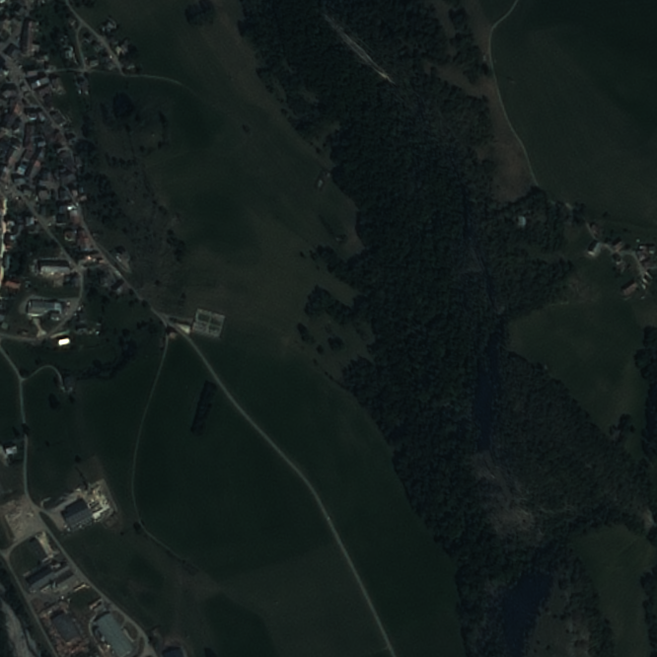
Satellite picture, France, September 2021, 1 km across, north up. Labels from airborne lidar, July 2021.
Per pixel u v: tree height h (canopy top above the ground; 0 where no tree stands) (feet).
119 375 0
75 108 0
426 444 58
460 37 26
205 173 0
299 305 0
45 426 0
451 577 0
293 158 0
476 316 39
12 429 0
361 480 0
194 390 0
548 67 0
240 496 0
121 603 0
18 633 0
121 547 0
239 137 0
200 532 0
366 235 82
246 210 0
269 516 0
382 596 0
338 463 0
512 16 0
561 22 0
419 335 59
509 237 29
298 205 0
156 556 0
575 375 0
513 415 45
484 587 19
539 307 52
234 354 0
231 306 0
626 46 0
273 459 0
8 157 0
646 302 0
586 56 0
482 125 28
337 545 0
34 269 0
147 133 0
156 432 0
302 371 0
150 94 0
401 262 62
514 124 0
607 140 0
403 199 60
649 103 0
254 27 60
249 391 0
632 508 28
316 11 83
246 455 0
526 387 31
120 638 0
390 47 21
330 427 0
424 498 56
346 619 0
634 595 0
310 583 0
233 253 0
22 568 0
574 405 47
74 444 0
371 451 0
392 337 62
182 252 47
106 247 0
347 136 52
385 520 0
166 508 0
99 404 0
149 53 0
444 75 0
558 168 0
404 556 0
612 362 0
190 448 0
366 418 0
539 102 0
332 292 0
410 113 37
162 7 0
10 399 0
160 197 0
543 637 0
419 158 68
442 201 73
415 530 0
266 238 0
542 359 0
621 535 0
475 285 34
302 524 0
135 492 0
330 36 72
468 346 73
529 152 0
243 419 0
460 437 33
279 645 0
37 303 0
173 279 0
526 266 34
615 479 36
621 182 0
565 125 0
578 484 36
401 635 0
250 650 0
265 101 0
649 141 0
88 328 0
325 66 65
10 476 0
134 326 0
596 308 0
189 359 0
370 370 72
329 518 0
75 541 0
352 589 0
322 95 58
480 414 53
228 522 0
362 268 43
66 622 0
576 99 0
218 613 0
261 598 0
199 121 0
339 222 0
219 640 0
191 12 0
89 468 0
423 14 41
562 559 46
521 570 42
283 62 31
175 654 0
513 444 31
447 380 69
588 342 0
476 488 28
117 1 0
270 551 0
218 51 0
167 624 0
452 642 0
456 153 37
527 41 0
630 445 0
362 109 50
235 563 0
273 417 0
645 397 0
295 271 0
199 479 0
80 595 0
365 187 68
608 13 0
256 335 0
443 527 60
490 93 0
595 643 33
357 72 93
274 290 0
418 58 27
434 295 73
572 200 0
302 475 0
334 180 49
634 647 0
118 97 0
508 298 28
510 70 0
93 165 31
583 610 24
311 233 0
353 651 0
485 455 0
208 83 0
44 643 0
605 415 0
